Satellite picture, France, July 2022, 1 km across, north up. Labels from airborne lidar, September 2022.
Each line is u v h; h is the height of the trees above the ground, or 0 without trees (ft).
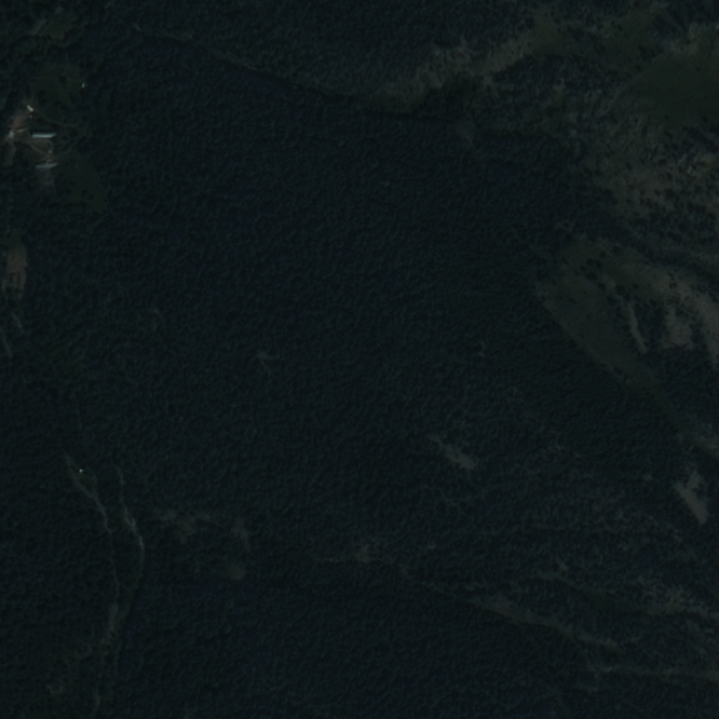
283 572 43
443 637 62
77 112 20
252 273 47
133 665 87
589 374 43
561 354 56
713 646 21
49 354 59
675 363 28
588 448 36
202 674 87
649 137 0
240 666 94
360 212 82
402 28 70
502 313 57
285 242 83
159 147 52
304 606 108
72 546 66
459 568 39
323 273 71
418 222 54
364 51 66
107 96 45
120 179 27
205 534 31
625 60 0
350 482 59
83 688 62
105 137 29
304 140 80
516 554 34
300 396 76
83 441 117
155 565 46
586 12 37
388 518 54
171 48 106
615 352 0
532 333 48
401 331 80
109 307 69
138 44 65
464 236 52
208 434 64
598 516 58
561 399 44
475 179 69
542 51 0
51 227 75
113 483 88
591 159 0
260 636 68
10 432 116
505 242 39
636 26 0
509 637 57
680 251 0
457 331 49
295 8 82
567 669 36
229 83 78
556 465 26
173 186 22
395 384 53
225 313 42
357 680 97
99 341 55
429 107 73
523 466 52
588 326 0
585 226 39
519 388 36
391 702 67
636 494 33
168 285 64
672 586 43
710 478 44
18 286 0
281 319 85
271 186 67
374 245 84
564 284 0
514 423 39
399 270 56
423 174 71
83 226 22
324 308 82
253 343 52
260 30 48
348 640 104
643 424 35
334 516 50
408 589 35
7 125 22
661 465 30
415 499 58
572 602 38
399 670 87
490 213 66
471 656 77
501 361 39
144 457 39
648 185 0
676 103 0
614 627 31
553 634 25
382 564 29
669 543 45
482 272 63
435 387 67
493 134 20
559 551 57
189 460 60
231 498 56
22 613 93
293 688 50
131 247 65
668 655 23
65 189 39
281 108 99
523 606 37
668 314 21
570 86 64
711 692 26
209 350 69
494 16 19
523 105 35
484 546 40
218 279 90
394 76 33
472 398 50
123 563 70
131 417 71
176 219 51
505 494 56
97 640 62
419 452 61
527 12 18
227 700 52
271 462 51
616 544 62
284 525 75
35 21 34
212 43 75
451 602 51
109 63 53
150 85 28
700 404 46
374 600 79
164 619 88
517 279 39
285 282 89
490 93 31
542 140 29
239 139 40
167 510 22
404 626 93
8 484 117
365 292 80
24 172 29
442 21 21
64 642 49
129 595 77
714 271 0
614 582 34
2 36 21
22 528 123
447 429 67
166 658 42
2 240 100
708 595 29
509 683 56
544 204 41
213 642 43
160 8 79
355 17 62
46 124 27
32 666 91
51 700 64
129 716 65
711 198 23
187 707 26
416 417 78
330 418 63
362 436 74
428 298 53
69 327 47
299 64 23
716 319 0
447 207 43
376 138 99
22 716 73
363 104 45
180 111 48
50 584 92
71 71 0
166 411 55
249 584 43
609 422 38
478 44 34
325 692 69
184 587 75
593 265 39
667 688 26
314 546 20
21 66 101
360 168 112
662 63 0
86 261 56
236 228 92
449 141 76
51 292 52
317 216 103
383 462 41
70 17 22
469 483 24
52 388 21
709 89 0
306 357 77
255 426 51
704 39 0
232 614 61
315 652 89
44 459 83
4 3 97
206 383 55
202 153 58
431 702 103
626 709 36
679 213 19
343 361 64
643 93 0
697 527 33
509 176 88
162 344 46
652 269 0
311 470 49
